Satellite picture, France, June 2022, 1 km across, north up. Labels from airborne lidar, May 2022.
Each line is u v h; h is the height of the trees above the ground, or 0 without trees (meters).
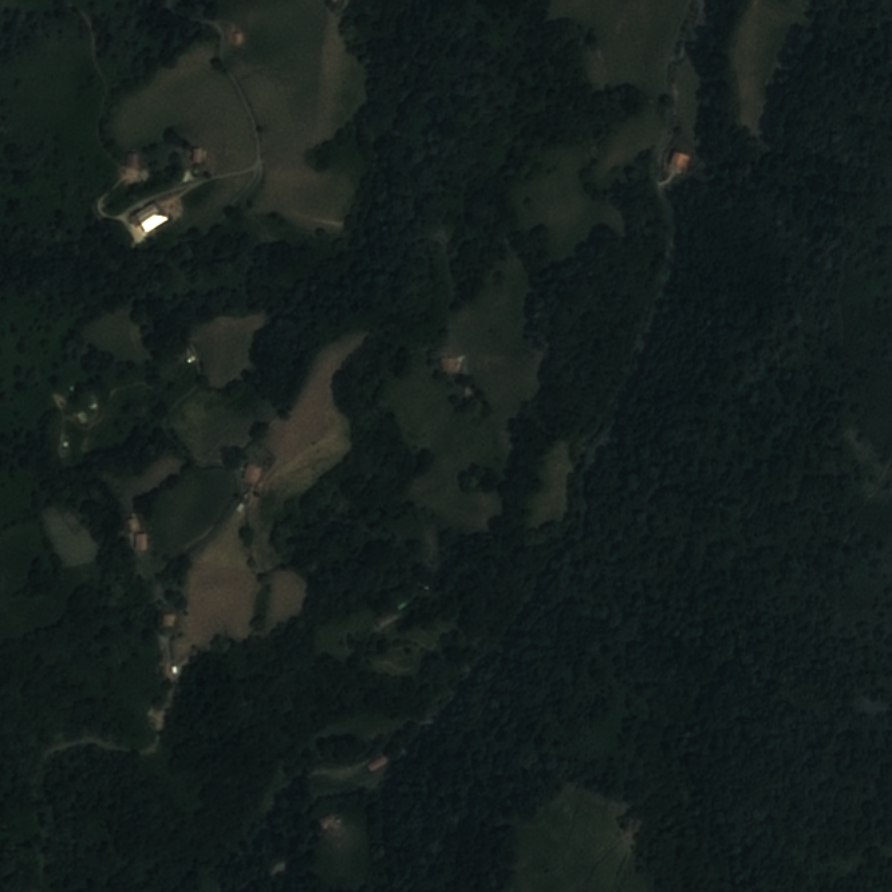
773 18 0
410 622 13
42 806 20
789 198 22
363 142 16
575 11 0
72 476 15
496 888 11
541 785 10
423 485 0
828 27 18
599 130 18
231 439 0
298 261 18
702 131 15
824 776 18
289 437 0
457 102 13
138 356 0
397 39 8
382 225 16
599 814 0
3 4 0
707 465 13
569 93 12
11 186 9
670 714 24
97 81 7
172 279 12
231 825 18
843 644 10
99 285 18
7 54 11
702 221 17
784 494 12
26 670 14
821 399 10
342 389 15
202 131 0
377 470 8
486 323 0
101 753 14
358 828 0
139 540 0
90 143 0
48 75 0
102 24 16
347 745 27
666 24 0
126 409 10
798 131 20
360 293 10
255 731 25
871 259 8
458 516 0
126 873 11
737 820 19
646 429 18
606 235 21
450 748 15
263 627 11
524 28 11
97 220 9
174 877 24
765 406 10
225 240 22
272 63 0
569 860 0
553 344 16
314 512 16
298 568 14
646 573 15
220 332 0
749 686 22
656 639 27
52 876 14
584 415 24
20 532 0
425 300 18
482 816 25
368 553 26
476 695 22
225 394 7
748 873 17
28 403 0
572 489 10
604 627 13
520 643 25
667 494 27
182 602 17
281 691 20
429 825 25
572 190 0
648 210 12
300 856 18
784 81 19
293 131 0
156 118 0
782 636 21
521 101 11
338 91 0
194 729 30
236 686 17
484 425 0
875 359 8
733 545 14
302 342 8
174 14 15
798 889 14
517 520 13
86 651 7
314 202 0
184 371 0
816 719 10
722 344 19
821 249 14
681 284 14
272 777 18
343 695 23
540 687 21
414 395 0
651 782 18
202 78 0
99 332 0
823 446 7
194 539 0
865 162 11
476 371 0
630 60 0
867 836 10
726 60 10
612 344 29
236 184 0
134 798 24
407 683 18
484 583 25
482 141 14
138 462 20
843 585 6
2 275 15
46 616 0
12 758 19
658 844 22
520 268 0
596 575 14
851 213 12
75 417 0
